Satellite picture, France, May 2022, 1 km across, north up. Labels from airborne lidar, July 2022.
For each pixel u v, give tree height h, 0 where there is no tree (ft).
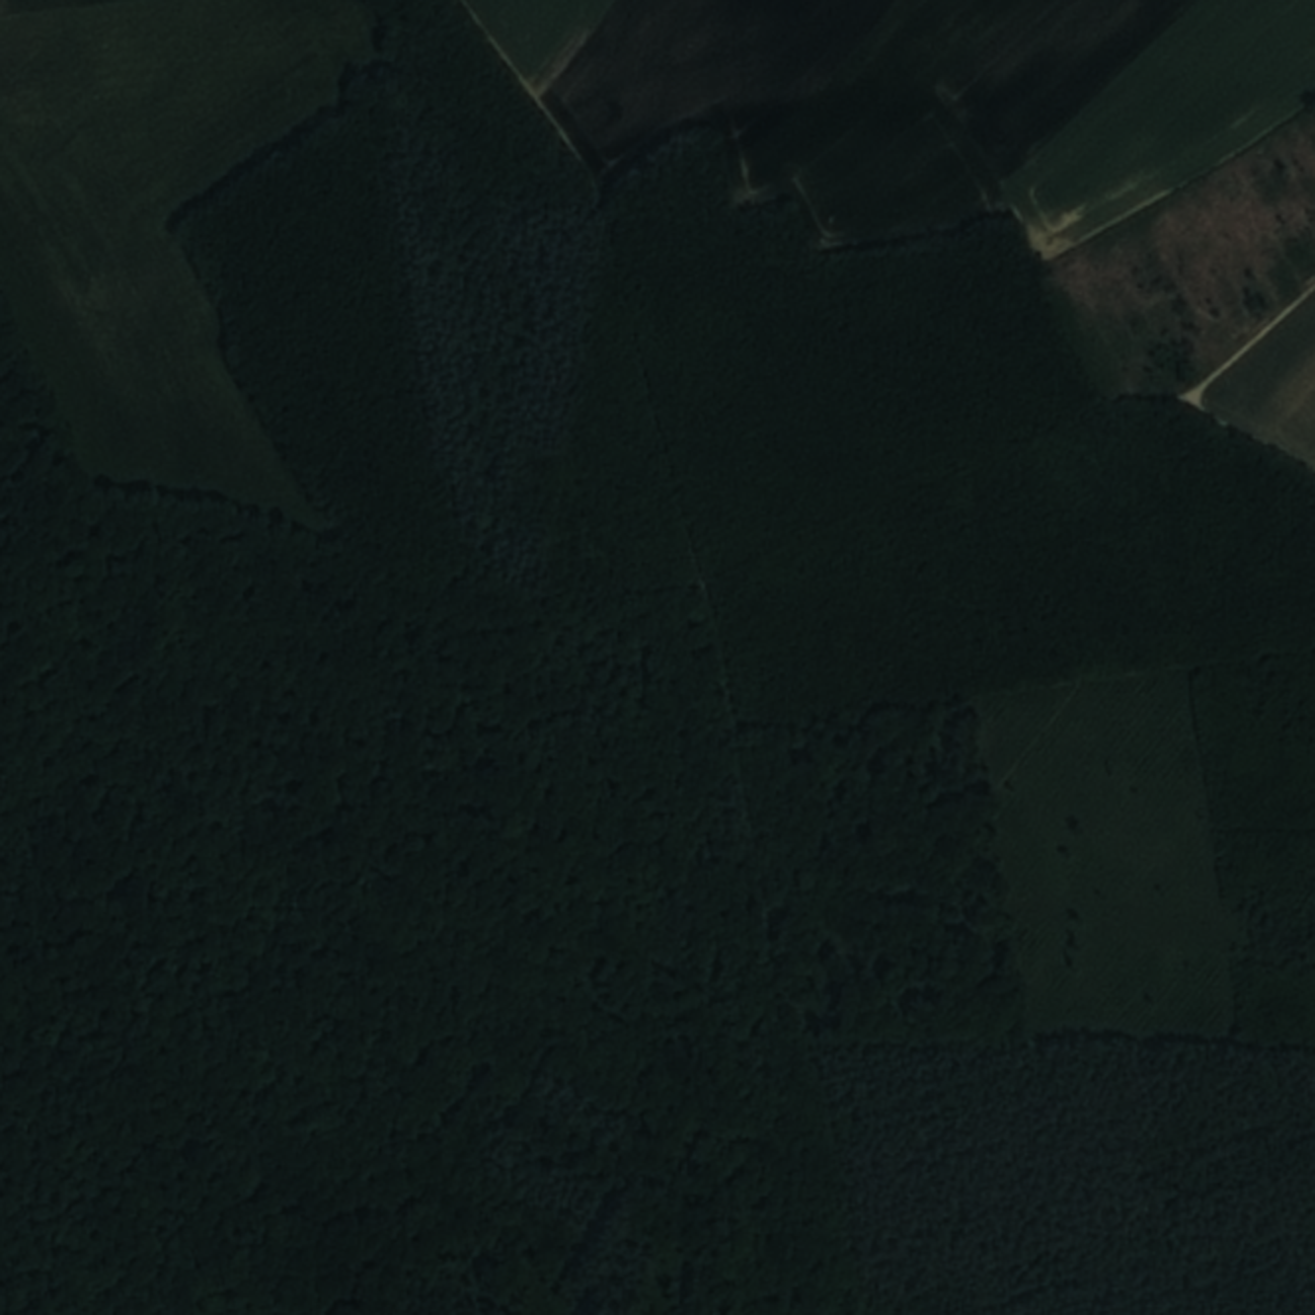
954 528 47
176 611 74
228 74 0
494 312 94
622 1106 76
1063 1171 76
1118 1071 64
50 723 66
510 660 75
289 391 62
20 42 0
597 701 65
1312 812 22
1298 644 42
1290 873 22
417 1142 74
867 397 55
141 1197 73
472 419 83
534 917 62
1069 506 47
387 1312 74
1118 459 38
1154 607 50
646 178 65
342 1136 74
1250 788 23
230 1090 85
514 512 72
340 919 74
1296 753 23
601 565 49
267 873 65
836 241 0
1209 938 0
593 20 0
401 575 74
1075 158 0
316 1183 78
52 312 0
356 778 83
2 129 0
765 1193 64
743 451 44
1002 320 60
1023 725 0
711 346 37
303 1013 74
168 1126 91
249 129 0
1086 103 0
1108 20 0
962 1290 66
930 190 0
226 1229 88
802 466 50
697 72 0
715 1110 75
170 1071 82
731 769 60
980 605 47
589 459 39
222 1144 72
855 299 45
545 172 53
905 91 0
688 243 50
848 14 0
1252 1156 59
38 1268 52
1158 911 0
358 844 78
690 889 77
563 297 78
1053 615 47
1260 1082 62
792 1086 68
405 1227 87
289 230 57
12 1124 69
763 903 59
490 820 74
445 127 52
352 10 0
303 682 81
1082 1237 75
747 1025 60
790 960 83
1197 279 0
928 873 79
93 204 0
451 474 103
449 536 73
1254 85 0
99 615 79
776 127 0
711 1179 79
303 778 85
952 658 46
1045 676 45
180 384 0
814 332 56
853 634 50
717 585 35
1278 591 51
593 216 80
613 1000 72
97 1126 77
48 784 78
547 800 78
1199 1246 67
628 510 39
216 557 82
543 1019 65
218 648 74
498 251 79
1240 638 50
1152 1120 60
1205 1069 51
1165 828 0
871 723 79
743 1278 71
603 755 78
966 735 81
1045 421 42
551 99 0
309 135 63
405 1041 78
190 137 0
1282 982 25
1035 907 0
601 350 46
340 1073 64
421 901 75
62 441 70
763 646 45
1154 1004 48
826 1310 57
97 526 85
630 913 63
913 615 48
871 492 43
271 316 64
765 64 0
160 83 0
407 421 71
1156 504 54
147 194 0
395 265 64
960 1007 92
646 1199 91
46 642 75
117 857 88
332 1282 84
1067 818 0
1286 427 0
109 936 82
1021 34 0
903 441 54
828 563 43
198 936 60
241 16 0
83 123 0
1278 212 0
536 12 0
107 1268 70
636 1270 104
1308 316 0
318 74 0
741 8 0
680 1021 81
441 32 39
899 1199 75
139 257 0
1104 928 0
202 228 61
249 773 76
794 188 0
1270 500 51
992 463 37
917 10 0
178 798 91
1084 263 0
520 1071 69
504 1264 81
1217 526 45
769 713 47
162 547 76
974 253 53
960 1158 83
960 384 54
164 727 77
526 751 80
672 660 66
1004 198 0
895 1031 56
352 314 58
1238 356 0
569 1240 73
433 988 73
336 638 80
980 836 62
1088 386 34
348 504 68
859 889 71
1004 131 0
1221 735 25
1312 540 56
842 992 88
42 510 86
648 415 37
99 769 81
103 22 0
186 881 62
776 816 70
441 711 81
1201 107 0
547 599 69
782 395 50
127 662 88
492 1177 87
